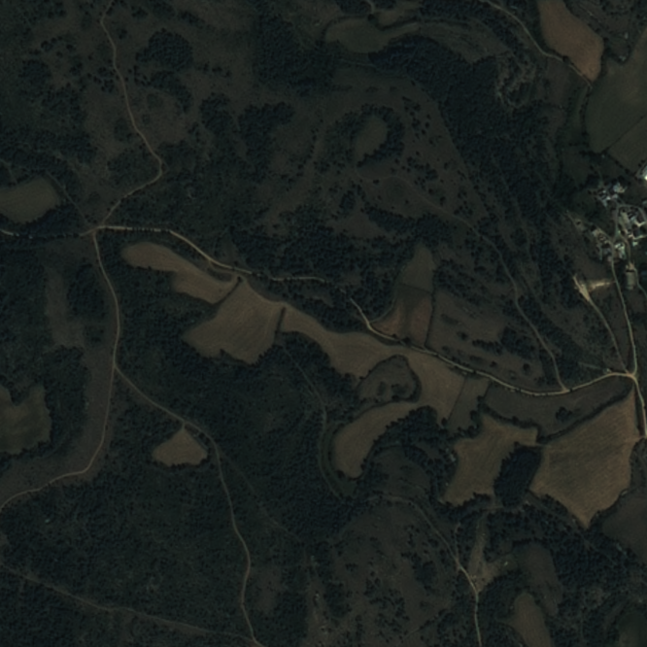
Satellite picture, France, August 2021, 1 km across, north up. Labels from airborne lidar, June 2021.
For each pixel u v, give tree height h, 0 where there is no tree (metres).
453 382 0
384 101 0
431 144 7
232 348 0
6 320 8
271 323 0
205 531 7
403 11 0
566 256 7
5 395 0
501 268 11
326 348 0
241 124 6
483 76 9
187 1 0
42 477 0
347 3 11
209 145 0
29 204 0
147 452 11
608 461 0
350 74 0
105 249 7
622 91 0
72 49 11
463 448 0
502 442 0
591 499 0
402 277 0
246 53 0
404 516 0
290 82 6
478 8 10
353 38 0
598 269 0
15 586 8
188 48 11
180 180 8
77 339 0
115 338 0
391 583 0
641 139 0
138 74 8
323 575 6
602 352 0
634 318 7
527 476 14
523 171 13
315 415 7
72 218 7
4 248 10
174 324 10
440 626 7
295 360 8
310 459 10
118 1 10
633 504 0
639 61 0
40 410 0
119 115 0
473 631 8
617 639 7
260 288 0
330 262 11
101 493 8
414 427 10
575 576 12
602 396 0
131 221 8
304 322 0
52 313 0
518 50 11
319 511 10
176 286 0
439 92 14
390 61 15
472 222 0
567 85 0
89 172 0
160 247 0
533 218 8
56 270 0
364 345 0
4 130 9
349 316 9
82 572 6
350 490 0
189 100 6
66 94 8
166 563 6
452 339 0
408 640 0
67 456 0
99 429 0
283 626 6
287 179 8
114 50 0
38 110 0
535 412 0
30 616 8
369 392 0
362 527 0
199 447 0
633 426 0
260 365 9
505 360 0
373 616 0
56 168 7
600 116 0
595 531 8
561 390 0
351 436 0
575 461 0
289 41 14
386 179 0
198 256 8
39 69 9
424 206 0
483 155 7
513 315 7
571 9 6
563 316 0
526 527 8
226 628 7
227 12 0
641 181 7
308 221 7
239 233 12
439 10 11
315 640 0
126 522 6
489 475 0
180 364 15
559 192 6
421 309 0
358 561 0
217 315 0
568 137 0
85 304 9
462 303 0
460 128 9
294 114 7
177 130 0
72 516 6
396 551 0
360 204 0
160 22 0
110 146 0
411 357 0
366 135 0
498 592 15
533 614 0
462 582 7
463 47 0
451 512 11
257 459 0
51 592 9
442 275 9
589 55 0
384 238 7
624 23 0
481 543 0
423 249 0
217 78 0
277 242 6
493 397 0
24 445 0
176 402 8
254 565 7
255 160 7
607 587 6
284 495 7
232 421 8
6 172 11
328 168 6
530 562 0
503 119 8
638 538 0
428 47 13
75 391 7
